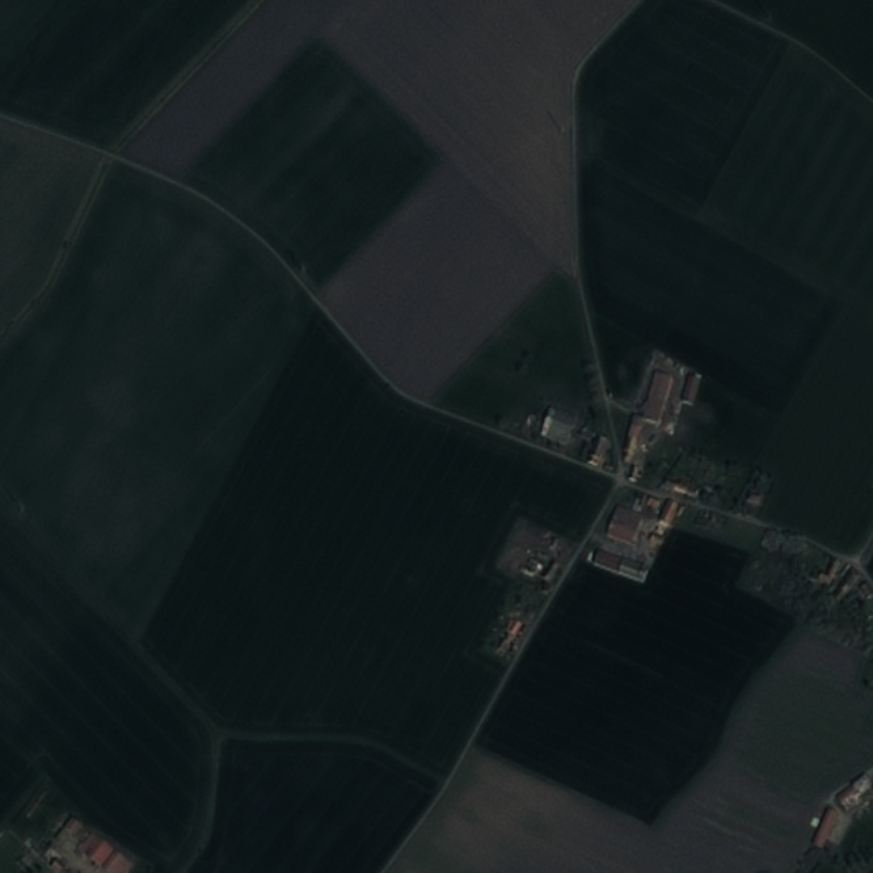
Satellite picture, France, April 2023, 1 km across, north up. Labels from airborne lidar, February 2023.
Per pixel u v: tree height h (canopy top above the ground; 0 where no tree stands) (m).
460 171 0
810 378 0
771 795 0
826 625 9
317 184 0
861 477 0
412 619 0
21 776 0
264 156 0
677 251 0
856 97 0
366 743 0
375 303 0
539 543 0
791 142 0
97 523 0
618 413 0
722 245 0
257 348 0
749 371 0
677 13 0
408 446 0
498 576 0
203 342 0
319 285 0
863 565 0
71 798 0
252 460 0
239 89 0
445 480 0
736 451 0
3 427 0
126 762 0
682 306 0
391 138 0
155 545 0
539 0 0
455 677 0
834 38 0
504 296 0
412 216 0
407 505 0
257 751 0
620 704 0
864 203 0
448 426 0
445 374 0
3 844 0
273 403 0
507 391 0
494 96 0
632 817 0
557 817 0
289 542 0
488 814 0
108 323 0
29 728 0
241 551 0
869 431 0
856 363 0
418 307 0
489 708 0
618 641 0
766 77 0
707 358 0
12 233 0
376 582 0
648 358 0
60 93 0
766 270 0
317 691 0
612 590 0
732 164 0
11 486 0
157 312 0
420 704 0
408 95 0
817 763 0
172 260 0
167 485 0
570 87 0
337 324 0
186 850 0
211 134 0
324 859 0
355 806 0
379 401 0
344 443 0
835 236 0
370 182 0
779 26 0
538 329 0
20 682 0
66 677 0
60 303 0
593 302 0
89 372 0
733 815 0
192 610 0
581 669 0
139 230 0
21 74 0
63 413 0
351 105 0
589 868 0
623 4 0
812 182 0
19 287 0
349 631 0
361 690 0
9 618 0
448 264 0
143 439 0
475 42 0
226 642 0
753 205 0
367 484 0
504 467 0
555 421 0
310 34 0
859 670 0
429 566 0
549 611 0
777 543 6
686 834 0
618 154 0
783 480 0
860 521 0
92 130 0
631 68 0
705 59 0
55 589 0
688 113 0
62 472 0
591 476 0
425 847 0
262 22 0
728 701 0
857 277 0
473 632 0
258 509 0
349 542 0
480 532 0
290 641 0
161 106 0
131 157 0
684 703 0
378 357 0
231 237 0
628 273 0
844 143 0
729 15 0
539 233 0
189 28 0
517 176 0
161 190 0
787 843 0
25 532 0
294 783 0
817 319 0
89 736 0
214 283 0
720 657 0
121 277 0
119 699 0
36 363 0
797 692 0
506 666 0
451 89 0
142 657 0
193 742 0
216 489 0
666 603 0
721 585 0
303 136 0
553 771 0
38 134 0
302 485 0
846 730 0
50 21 0
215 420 0
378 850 0
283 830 0
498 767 0
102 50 0
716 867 0
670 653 0
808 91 0
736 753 0
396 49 0
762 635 0
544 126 0
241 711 0
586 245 0
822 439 0
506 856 0
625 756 0
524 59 0
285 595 0
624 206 0
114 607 0
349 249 0
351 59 0
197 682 0
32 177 0
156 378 0
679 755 0
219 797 0
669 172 0
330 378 0
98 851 0
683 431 0
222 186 0
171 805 0
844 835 0
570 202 0
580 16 0
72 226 0
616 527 0
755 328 0
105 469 0
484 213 0
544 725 0
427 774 0
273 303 0
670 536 0
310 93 0
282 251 0
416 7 0
